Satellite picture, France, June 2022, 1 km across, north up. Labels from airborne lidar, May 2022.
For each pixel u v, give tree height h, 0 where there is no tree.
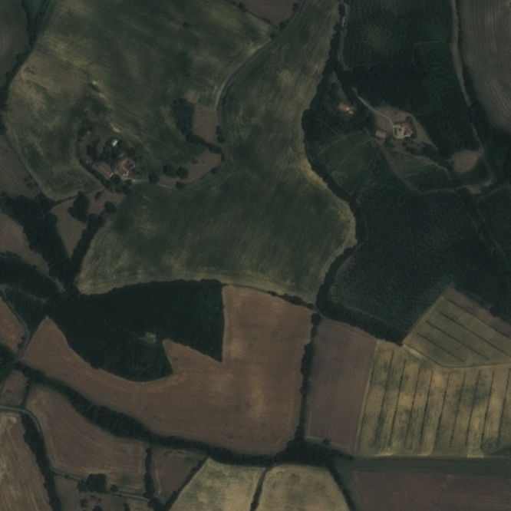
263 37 0
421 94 20
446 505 0
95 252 0
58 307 12
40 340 0
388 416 0
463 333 0
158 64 0
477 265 7
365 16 6
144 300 9
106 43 0
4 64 0
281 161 0
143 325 10
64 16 0
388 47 6
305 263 0
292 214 0
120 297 12
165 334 11
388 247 7
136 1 0
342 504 0
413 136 8
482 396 0
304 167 0
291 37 0
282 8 0
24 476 0
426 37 8
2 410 0
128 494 0
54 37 0
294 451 17
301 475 0
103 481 14
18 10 0
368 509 0
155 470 0
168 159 0
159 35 0
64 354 0
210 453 14
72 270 15
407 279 9
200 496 0
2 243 0
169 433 0
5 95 23
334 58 14
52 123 0
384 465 0
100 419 11
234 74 0
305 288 0
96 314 11
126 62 0
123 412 0
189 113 0
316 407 0
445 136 7
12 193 0
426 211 8
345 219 0
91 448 0
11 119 0
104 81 0
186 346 12
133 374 9
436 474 0
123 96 0
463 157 0
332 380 0
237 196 0
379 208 7
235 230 0
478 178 0
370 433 0
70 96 0
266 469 0
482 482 0
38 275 11
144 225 0
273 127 0
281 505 0
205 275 0
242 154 0
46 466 18
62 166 0
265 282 0
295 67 0
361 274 7
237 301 0
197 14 0
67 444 0
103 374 0
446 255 8
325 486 0
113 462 0
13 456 0
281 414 0
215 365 0
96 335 13
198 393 0
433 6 8
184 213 0
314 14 0
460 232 8
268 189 0
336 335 0
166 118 0
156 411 0
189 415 0
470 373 0
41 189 0
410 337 0
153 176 12
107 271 0
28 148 0
